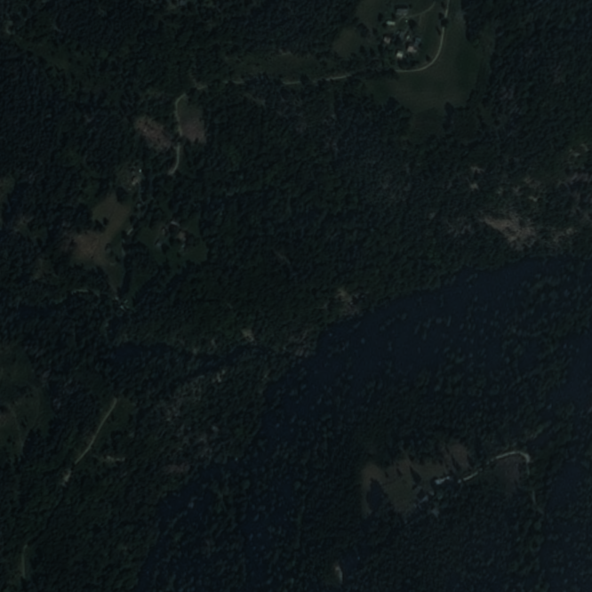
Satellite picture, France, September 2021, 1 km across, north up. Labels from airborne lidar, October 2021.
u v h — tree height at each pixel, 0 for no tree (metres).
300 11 20
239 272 23
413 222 31
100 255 0
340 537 9
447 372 33
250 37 27
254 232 24
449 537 9
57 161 30
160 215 17
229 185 17
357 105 11
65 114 33
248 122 7
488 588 15
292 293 35
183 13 16
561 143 30
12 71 30
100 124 35
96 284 21
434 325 46
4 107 34
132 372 19
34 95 35
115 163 26
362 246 34
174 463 8
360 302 31
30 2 14
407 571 7
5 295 32
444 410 13
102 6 19
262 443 23
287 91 7
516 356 32
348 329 13
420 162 13
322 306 32
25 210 33
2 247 33
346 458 8
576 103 35
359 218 28
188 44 23
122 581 34
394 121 26
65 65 0
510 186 20
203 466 35
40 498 24
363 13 0
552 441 17
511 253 29
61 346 21
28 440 10
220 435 13
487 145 17
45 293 29
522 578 20
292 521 22
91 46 29
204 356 18
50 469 30
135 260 28
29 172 30
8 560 14
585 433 28
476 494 9
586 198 29
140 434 34
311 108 18
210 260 14
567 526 21
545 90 29
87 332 24
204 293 20
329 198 15
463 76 0
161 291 28
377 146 23
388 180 12
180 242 9
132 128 16
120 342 22
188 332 19
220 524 30
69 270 12
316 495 8
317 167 21
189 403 10
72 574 26
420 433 10
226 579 25
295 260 27
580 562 27
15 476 22
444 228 32
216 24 27
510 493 0
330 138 31
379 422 11
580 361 31
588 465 17
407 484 0
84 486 19
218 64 23
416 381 33
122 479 29
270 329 20
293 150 14
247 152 10
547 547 13
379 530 19
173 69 21
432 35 0
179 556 24
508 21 24
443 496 12
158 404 27
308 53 17
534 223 21
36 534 32
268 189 21
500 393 10
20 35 17
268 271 23
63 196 25
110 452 24
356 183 29
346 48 0
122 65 8
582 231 20
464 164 21
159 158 14
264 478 28
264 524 27
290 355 13
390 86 0
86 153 28
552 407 31
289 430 19
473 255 25
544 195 16
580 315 20
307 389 23
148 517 15
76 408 28
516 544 27
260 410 19
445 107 0
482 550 12
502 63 19
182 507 11
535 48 29
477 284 23
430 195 34
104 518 18
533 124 31
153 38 25
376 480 0
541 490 11
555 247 14
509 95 37
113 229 0
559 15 31
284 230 32
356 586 24
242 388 23
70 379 30
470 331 42
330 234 31
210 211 27
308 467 6
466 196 31
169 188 24
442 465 19
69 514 19
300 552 6
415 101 0
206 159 20
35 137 30
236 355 24
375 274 32
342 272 18
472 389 30
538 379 25
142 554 26
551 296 38
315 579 6
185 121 0
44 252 33
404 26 0
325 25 13
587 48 22
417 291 32
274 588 22
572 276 21
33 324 33
